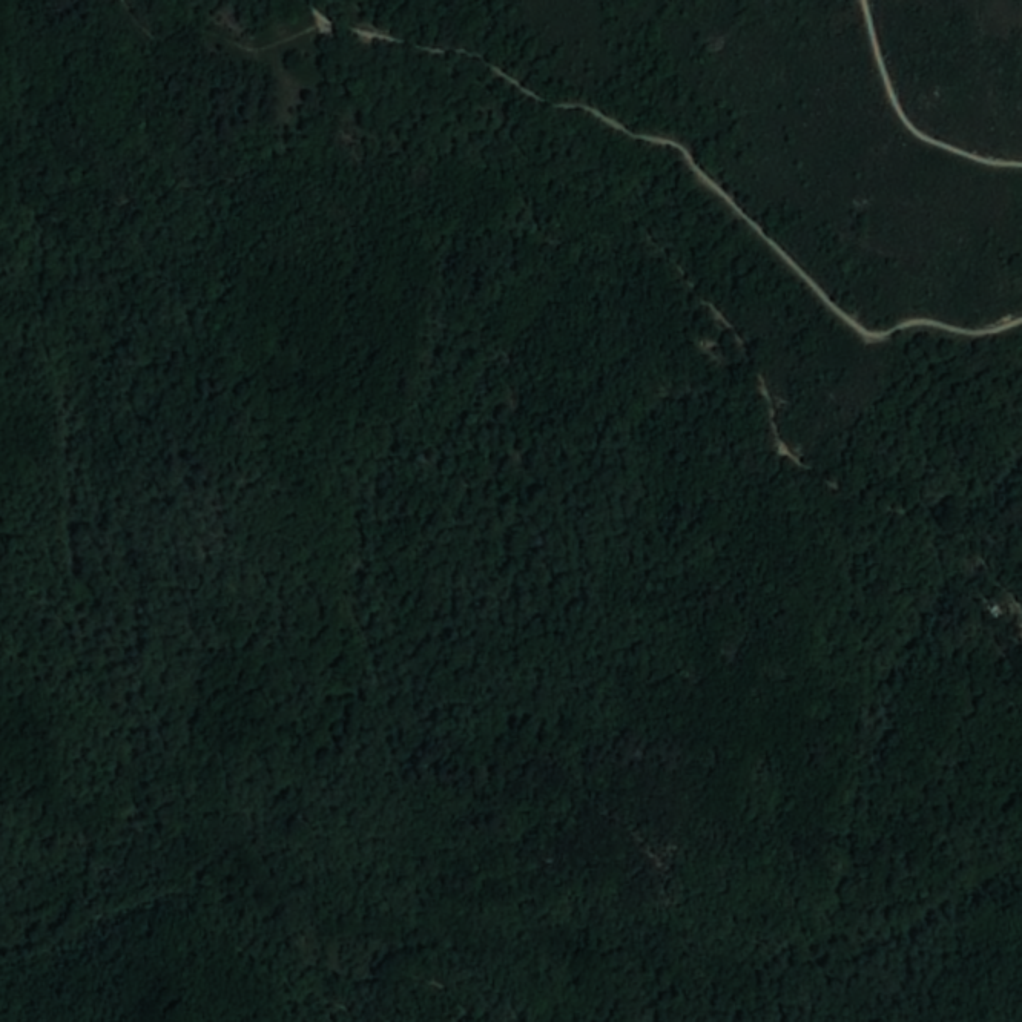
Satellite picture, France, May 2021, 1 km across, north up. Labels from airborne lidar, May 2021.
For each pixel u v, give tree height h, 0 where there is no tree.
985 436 16
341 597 26
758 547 14
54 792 17
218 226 17
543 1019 15
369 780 20
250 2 19
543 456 17
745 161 13
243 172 7
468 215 20
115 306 15
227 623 19
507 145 15
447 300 18
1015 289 7
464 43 19
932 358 19
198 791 16
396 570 16
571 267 19
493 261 20
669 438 19
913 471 16
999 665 8
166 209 17
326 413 21
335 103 14
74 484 24
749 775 18
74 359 9
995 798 15
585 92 10
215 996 20
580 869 19
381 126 20
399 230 14
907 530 18
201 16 14
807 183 8
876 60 0
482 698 24
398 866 20
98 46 13
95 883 9
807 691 19
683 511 21
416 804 20
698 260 8
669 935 29
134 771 20
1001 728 24
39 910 13
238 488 24
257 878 26
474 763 22
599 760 21
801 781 19
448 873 20
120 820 15
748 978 20
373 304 17
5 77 18
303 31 0
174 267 22
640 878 15
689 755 14
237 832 24
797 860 9
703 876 15
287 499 27
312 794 25
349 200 10
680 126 11
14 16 21
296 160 17
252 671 19
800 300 6
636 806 14
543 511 20
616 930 19
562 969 24
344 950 7
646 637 19
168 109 13
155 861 23
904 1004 27
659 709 10
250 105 25
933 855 14
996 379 12
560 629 18
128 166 9
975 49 5
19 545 25
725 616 15
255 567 24
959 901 22
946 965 22
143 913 14
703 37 10
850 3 7
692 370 15
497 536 20
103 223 8
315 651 24
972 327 9
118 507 18
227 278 11
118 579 24
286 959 28
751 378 17
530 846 18
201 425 21
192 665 19
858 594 21
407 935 12
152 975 23
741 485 8
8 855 19
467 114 19
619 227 20
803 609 20
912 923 19
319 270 13
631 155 16
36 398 16
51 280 20
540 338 19
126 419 20
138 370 20
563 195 14
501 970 20
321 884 19
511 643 16
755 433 11
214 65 11
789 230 6
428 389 21
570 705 22
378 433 15
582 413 22
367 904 17
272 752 24
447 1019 7
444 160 17
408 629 22
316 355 18
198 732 17
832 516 14
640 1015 20
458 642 18
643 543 18
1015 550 15
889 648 23
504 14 16
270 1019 22
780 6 6
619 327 23
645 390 24
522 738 15
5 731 10
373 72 17
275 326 16
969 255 6
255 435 26
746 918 12
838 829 20
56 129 12
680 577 13
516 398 7
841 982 20
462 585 22
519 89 15
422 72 18
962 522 17
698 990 21
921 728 22
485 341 12
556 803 20
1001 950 18
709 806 15
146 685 18
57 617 24
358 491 25
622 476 26
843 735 19
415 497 17
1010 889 23
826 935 21
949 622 23
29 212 16
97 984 15
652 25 14
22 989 15
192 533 22
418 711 22
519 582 24
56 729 19
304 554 26
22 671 19
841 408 9
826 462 6
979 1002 17
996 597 19
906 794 21
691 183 15
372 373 20
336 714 26
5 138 14
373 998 23
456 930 20
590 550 19
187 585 28
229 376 21
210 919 24
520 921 19
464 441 16
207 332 18
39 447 18
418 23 16
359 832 17
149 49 8
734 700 14
